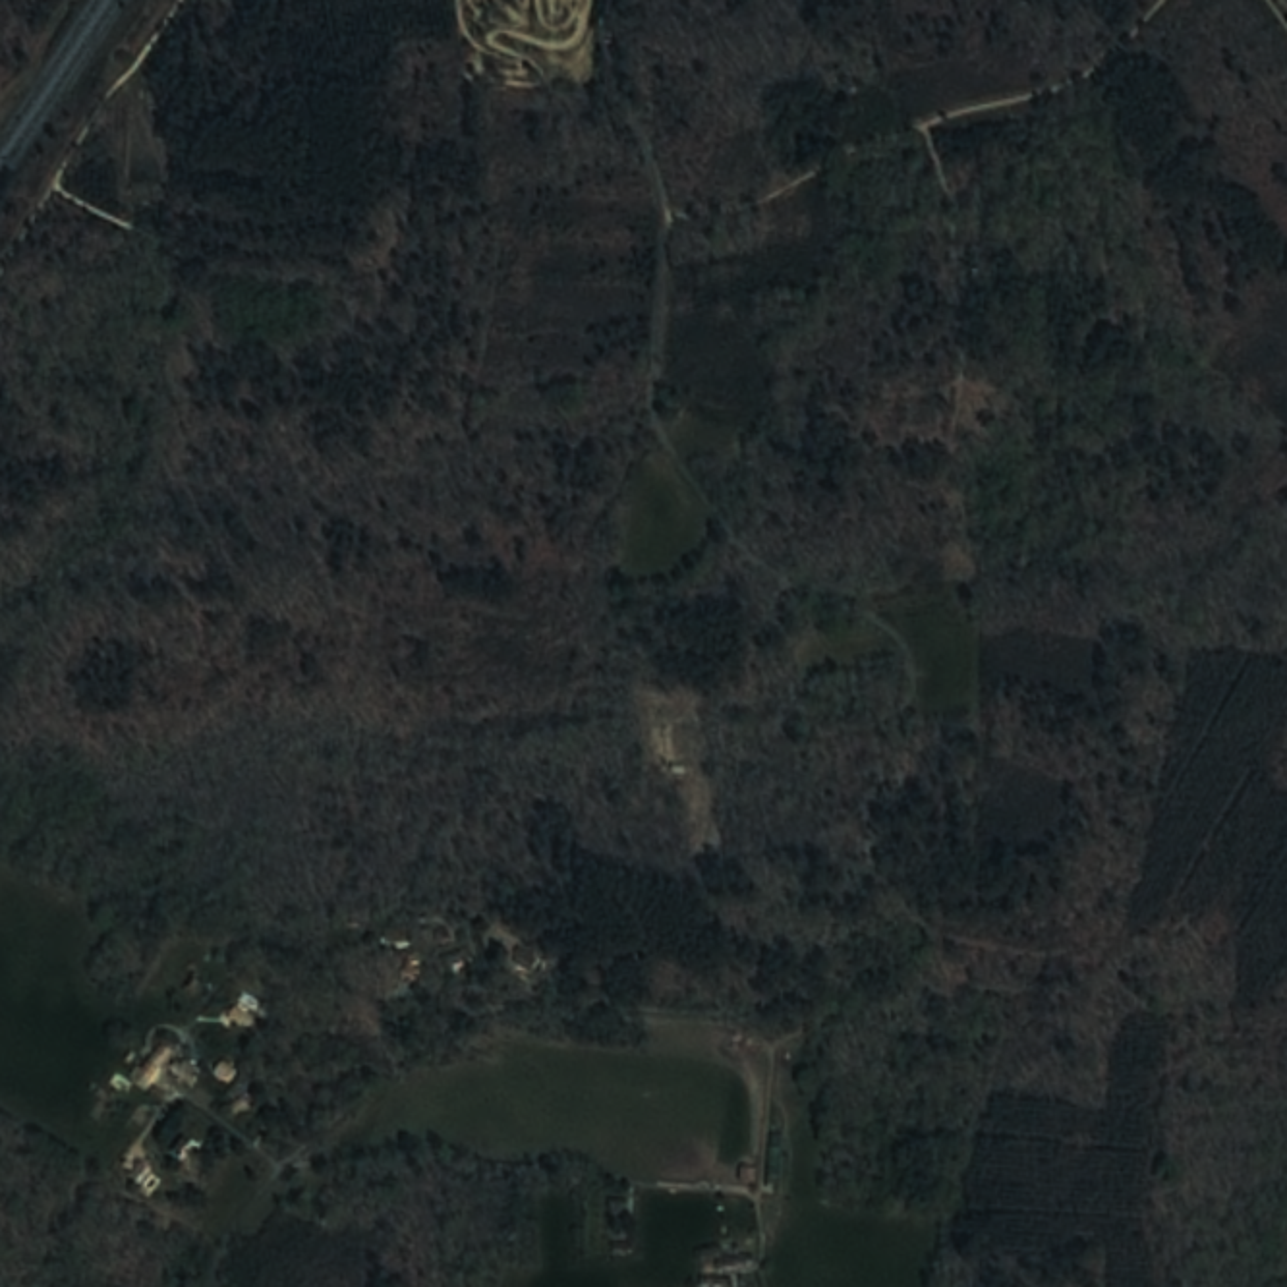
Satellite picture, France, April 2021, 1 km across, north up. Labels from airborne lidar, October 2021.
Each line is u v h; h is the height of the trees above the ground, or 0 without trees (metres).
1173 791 8
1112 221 18
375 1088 22
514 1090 0
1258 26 7
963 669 0
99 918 17
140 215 7
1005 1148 15
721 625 26
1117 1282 10
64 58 0
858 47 14
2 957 0
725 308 19
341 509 14
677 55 11
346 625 15
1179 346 22
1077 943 8
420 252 10
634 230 9
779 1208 0
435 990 16
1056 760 6
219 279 12
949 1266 13
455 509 12
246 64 17
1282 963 8
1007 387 16
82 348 25
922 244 7
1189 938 12
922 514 7
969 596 13
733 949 24
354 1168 16
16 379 16
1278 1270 22
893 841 10
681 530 0
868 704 17
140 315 22
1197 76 7
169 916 21
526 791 16
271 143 24
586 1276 0
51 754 23
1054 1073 12
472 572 9
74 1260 20
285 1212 14
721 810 14
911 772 7
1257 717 10
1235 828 13
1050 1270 13
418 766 10
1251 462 23
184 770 15
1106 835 7
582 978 23
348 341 9
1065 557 15
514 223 6
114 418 23
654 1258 0
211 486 15
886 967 20
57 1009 0
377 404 12
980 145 15
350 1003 14
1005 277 25
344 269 17
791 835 13
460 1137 0
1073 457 14
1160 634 15
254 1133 11
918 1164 19
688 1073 0
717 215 16
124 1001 7
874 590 12
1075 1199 10
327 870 14
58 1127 0
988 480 19
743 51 13
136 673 11
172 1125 17
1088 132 20
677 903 22
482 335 10
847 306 7
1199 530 12
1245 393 13
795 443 8
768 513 10
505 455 8
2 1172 19
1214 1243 16
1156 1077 11
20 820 28
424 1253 8
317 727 13
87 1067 0
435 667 8
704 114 7
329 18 8
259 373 18
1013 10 7
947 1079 18
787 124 19
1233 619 11
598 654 9
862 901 15
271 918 15
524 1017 20
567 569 8
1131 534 15
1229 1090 12
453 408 11
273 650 8
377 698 14
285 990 13
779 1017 20
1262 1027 8
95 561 24
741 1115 0
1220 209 20
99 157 7
